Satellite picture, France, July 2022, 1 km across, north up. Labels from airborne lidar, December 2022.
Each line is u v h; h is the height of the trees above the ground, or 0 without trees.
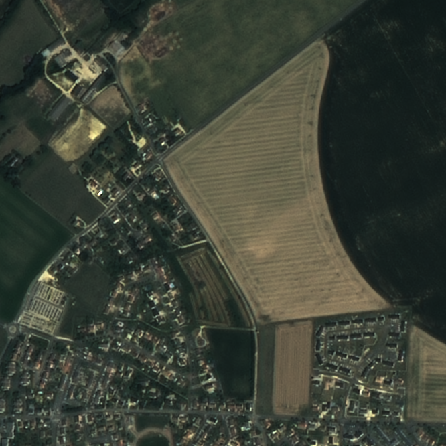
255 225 0
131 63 0
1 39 0
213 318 0
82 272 0
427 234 0
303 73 0
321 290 0
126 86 0
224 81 0
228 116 0
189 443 0
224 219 0
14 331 0
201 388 0
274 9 0
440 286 0
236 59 0
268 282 0
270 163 0
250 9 0
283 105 0
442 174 0
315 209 0
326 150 0
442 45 0
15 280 0
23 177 0
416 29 0
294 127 0
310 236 0
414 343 0
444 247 0
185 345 12
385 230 0
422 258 0
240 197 0
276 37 0
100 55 9
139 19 0
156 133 5
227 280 0
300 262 0
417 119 0
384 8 0
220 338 0
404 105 0
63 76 0
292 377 0
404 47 0
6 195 0
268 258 0
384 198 0
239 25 0
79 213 0
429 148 0
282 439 0
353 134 0
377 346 0
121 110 0
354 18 0
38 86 0
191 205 0
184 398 0
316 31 0
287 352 0
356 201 0
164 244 13
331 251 0
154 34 0
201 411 0
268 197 0
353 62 0
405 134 0
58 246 0
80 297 0
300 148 0
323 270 0
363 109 0
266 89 0
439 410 0
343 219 0
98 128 0
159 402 15
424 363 0
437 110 0
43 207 0
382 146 0
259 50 0
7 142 0
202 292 0
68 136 0
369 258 0
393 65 0
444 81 0
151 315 0
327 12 0
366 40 0
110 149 17
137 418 0
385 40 0
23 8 0
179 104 0
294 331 0
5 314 0
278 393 0
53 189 0
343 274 0
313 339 0
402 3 0
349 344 0
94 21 0
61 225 0
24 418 0
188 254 0
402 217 0
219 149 0
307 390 0
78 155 0
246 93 0
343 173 0
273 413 0
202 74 0
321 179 0
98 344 0
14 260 0
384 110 0
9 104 0
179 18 0
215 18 0
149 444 0
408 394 0
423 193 0
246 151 0
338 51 0
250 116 0
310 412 0
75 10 0
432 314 0
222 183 0
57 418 0
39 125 0
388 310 0
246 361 0
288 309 0
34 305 0
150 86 0
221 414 0
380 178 0
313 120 0
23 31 0
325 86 0
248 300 0
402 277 0
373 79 0
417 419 0
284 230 0
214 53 0
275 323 0
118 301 0
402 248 0
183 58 0
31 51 0
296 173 0
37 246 0
